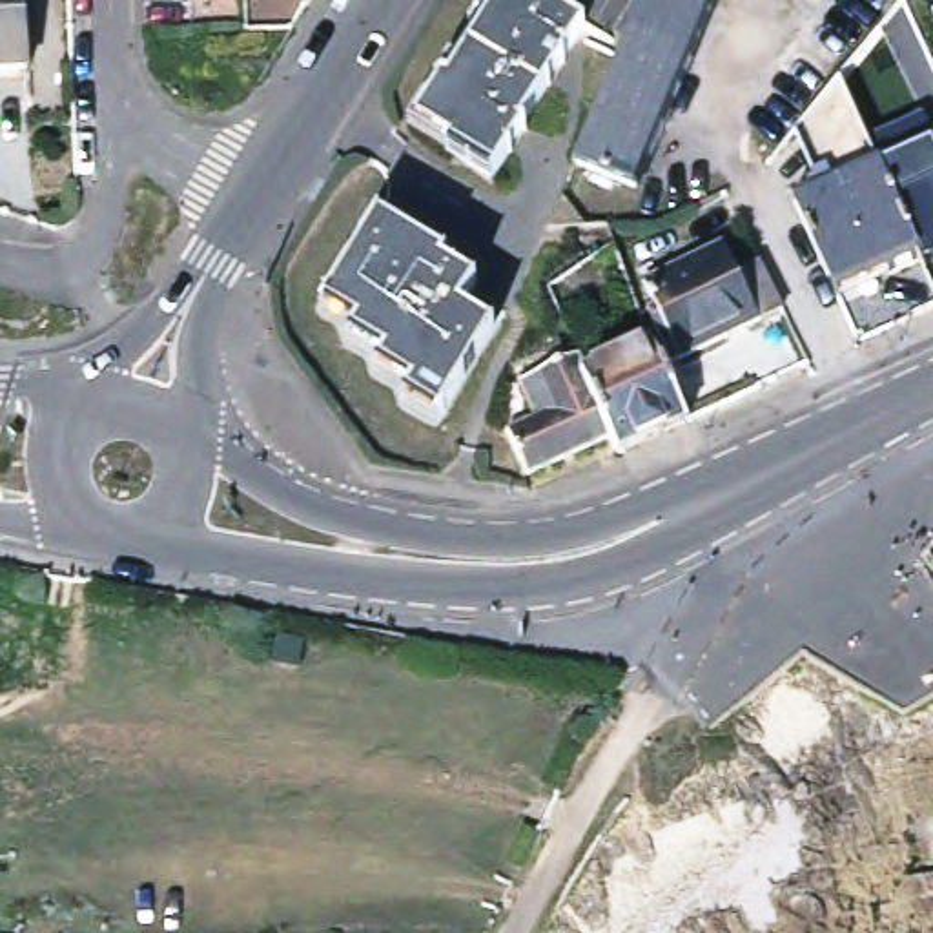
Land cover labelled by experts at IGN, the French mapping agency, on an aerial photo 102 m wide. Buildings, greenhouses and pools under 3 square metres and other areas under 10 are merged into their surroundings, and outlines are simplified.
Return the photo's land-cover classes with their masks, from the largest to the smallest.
<instances>
[{"label":"impervious surface","instance_id":"1","mask_svg":"<svg viewBox=\"0 0 933 933\"><path fill-rule=\"evenodd\" d=\"M434 0H47L44 44H26V62H0V284L87 310V324H77L62 335L0 339V554L36 561L51 576H80L87 583L95 579L113 587H135L160 598L175 594L186 601L193 598L244 612H292L346 627V620H397L405 627H423L419 638L510 656L612 667L623 671V696H660L667 722L692 718L707 729H718L725 718L751 711L747 696L798 652L824 660L827 667L842 671L846 678L878 692L889 703L922 700V674H933V273L922 259V248L882 255L878 262L849 277L838 266H831L816 222L787 186V175L802 168V117L787 124L776 146H765L754 138L751 117L714 120L707 128L689 109L674 113L660 135L656 157V179L667 175L674 164L707 160L711 171L729 182V190H700L692 200L703 215L718 208L754 211V226L787 281V299L780 306L758 310L733 332L703 339L700 346H692L689 328L667 324V306L652 281V259L685 248L692 237V222L663 233L660 241L634 244L638 284L645 295V310H634L620 317V324L612 328L616 335L641 332L652 346L667 350L689 405V423L682 430L660 434L631 452H612L605 441L587 437L547 459H528L525 441L514 434L528 394L514 386L503 426L488 423V401L499 372L514 375L521 357L514 346L525 332V313L521 306H507V288L514 273L525 281L536 266V255L550 241H561L565 230H579L583 241H594L609 230V226L579 219L565 200V186H579L587 179L576 164V149L598 84L605 77L616 33L634 22V0H579L590 29L579 40V47L565 55V66L550 77V87L565 95V131L543 135L528 128L514 142L510 157L496 175L499 193L481 204L470 193V186L419 164L415 157H405V135L412 128V120L405 117L408 102L401 98V91H390L383 98V80L415 36V29L423 26L426 7ZM204 15H241L244 33H284V47L270 77H262L259 87L230 109H208L200 102L179 106L164 95L146 62L142 26H186V18ZM62 91L77 98L66 128L69 153L51 160L29 149V109L55 106ZM346 157L368 160L375 175L386 179L383 197L412 211L426 226L441 230L448 244L474 259L477 273L470 281V292L481 295L492 306V313L481 317L470 343L459 346V357L448 368L445 386L434 397H423L408 390V364L390 361L386 335L361 332L339 295L317 302V313L332 321L339 343L368 364L372 379L394 390L401 412L423 423H441L456 401L459 408H470L467 441L477 445L492 441L496 463L528 474L532 488L470 477L474 452L459 448V456L445 463L437 474H426L368 459L354 430H346L339 412L321 397L306 368L299 364V357L284 346L277 317L266 266L288 226L306 215V204L321 193L332 164ZM73 171L84 179V200L77 204V215L66 222L40 219L36 197H55ZM142 175L157 179L164 190L179 197L182 219L175 237L164 244V255L146 266L149 295L120 302L109 284L113 251L124 248L131 237L124 215L128 182ZM878 284L886 292L907 295L915 310L907 317L860 332L849 317V302L875 295ZM743 372H754V386L714 405H700V386L711 390ZM117 441H128L149 456L146 488L135 496L124 488H106L113 467L102 448ZM222 485L241 488L244 499L266 507L270 514L292 525L328 532L332 547L215 525V503ZM856 69L846 80L867 128V138L878 149L915 131H933V0H886L878 22L856 40Z\"/></svg>","mask_w":933,"mask_h":933},{"label":"herbaceous vegetation","instance_id":"2","mask_svg":"<svg viewBox=\"0 0 933 933\"><path fill-rule=\"evenodd\" d=\"M470 0H434L426 7L423 26L415 29V36L383 80V98L390 91H401V98L408 102L419 80L430 73L434 58L441 55V47L467 29ZM146 62L164 95L179 106L200 102L208 109H230L259 87L262 77H270L284 47V33H244L241 15H204L186 18V26H142ZM405 157H415L419 164L470 186V193L481 204L499 193L496 175L481 179L467 171L434 135L412 128L405 135ZM386 179L375 175L368 160L346 157L332 164L321 193L306 204V215L288 226L266 266L277 317L292 306L302 339L324 357L343 394L354 401L357 415L368 419V426L386 448L412 456L441 452L445 463L459 456V448L474 452L477 445L467 441L470 408H459L456 401L441 423H423L401 412L394 390L372 379L368 364L339 343L332 321L317 313V281L328 270L335 248L346 241L357 211L368 197H383ZM124 215L131 237L124 248L113 251L109 284L120 302L149 295L146 266L164 255V244L175 237L182 219L179 197L164 190L157 179L142 175L128 182ZM77 324H87V310L0 284V339L62 335ZM113 467L106 488H124L135 496L146 488L149 456L128 441H117L102 448ZM215 525L332 547L328 532L292 525L270 514L266 507L244 499L241 488L222 485L215 503ZM44 579L51 576L36 561L0 554V692L44 689L62 671L69 612L62 605H51V590H44ZM350 634L343 645H310L302 663H284L270 656L266 663H241L226 652L222 641L197 631L193 616H171L164 605L135 609L102 605L87 598L84 682H73L62 692V700L47 707H26L22 714L0 722V933H485L481 904L503 897L499 878L525 882L528 864L543 846L532 802L550 798L554 791L543 784V769L558 747V733L579 711V692H543L525 682L485 674H448L437 682L415 678L397 663L394 649L401 641L419 638L423 627H405L397 620H346V627ZM736 751V736L718 729H707L692 718L667 722L620 769L616 784L609 787L594 820L569 853L528 933H579L558 915V907H576L587 922L609 918L612 875L609 849L587 853V846L616 824L620 802L631 798L660 805L700 765L729 762Z\"/></svg>","mask_w":933,"mask_h":933},{"label":"building","instance_id":"3","mask_svg":"<svg viewBox=\"0 0 933 933\"><path fill-rule=\"evenodd\" d=\"M47 0H0V62H26V44H44ZM590 29L579 0H470L467 29L441 47V55L434 58L430 73L419 80L408 102L405 117L412 120V128L434 135L467 171L481 179L496 175L510 157L514 142L528 128V109L550 87V77L565 66V55L579 47V40ZM722 0H634V22L616 33L605 77L598 84L576 149V164L587 179L601 190H634L638 182L631 171L638 157H656L660 135L674 113L660 102L678 73V51H700L703 33ZM802 117V168L787 175V186L816 222L831 266H838L849 277L878 262L882 255L922 248V259L933 273V131H915L878 149L867 138V128L846 80L835 77L805 106ZM477 273L474 259L448 244L441 230L426 226L412 211L383 197H368L357 211L346 241L335 248L328 270L317 281V302L339 295L361 332L386 335L390 361L408 364V390L423 397H434L445 386L448 368L459 357V346L470 343L481 317L492 313V306L481 295L470 292V281ZM652 281L667 306V324L689 328L692 346H700L703 339L733 332L758 310L780 306L787 299V281L754 226V211L718 208L703 215L692 222V237L685 248L652 259ZM587 255L554 273L539 299L561 310L565 288L601 284L605 266H616L634 310H645V295L638 284L634 244L609 230L594 241H583ZM514 386L528 394L514 434L525 441L528 459H547L587 437L605 441L612 452H631L660 434L682 430L689 423V405L667 350L652 346L641 332L616 335L590 350H532L521 357L514 375ZM310 645L295 634H273L270 656L284 663H302Z\"/></svg>","mask_w":933,"mask_h":933},{"label":"bare soil","instance_id":"4","mask_svg":"<svg viewBox=\"0 0 933 933\"><path fill-rule=\"evenodd\" d=\"M751 711L725 718L718 729L736 736V751L729 762L700 765L660 805L631 798L620 802L616 824L587 846V853L609 849L612 875L609 918L587 922L576 907H558V915L579 933H933V674H922V700L889 703L878 692L846 678L842 671L827 667L824 660L798 652L747 696Z\"/></svg>","mask_w":933,"mask_h":933},{"label":"pervious surface","instance_id":"5","mask_svg":"<svg viewBox=\"0 0 933 933\"><path fill-rule=\"evenodd\" d=\"M886 0H722L703 33L700 51H678V73L660 102L674 113L689 109L707 128L714 120L751 117L754 138L765 146H776L787 124L802 117L805 106L835 77L846 80L856 69V40L878 22ZM656 157H638L631 171L638 182L634 190H601L587 179L579 186H565V200L579 219L609 226L656 219L692 200L700 190H729V182L711 171L707 160L674 164L667 175L656 179ZM915 310L907 295L886 292L878 284L875 295L849 302V317L860 332L907 317ZM87 583L80 576H51L44 579V590H51V605H62L69 612L62 671L44 689L0 692V722L22 714L26 707H47L62 700V692L73 682H84L87 598ZM667 722L660 696H623L620 718L601 722L598 733L576 754L569 780L572 787L554 791L550 798L532 802L543 846L528 864L525 882L499 878L503 897L481 904L485 933H528L569 853L594 820L609 787L616 784L620 769Z\"/></svg>","mask_w":933,"mask_h":933},{"label":"brushwood","instance_id":"6","mask_svg":"<svg viewBox=\"0 0 933 933\"><path fill-rule=\"evenodd\" d=\"M528 128L543 135L565 131V95L550 87L528 109ZM77 98L62 91L55 106L29 109V149L51 160L69 153L66 128ZM84 200V179L73 171L55 197H36L40 219L66 222L77 215V204ZM703 215L692 200L656 219L609 226V230L634 244L660 241L663 233L692 222ZM587 255L583 241L579 230H565L561 241H550L536 255V266L525 281L514 273L507 288V306H521L525 313V332L514 346L521 357L532 350H590L616 335L612 328L620 324V317L634 310L616 266H605L601 284L565 288L561 310L539 299L554 273ZM284 346L299 357V364L306 368L321 397L339 412L346 430H354L368 459L426 474H437L445 463L441 452L412 456L386 448L368 426V419L357 415L354 401L343 394L324 357L302 339L292 306L277 317ZM514 386V375L499 372L488 401V423L503 426ZM754 386V372H743L711 390L700 386V405H714ZM470 477L532 488L528 474L496 463L492 441L477 445L474 452ZM87 598L102 605L135 609L164 605L171 616H193L197 631L222 641L226 652L241 663H266L270 656L273 634H295L310 645H343L350 634L346 627L292 612H244L193 598L186 601L175 594L160 598L135 587H113L95 579L87 583ZM397 663L415 678L437 682L448 674H485L525 682L543 692H579V711L558 733V747L543 769V784L554 791L572 787L569 780L576 754L598 733L601 722L620 718L623 696V671L612 667L510 656L419 638L401 641L394 649Z\"/></svg>","mask_w":933,"mask_h":933}]
</instances>
